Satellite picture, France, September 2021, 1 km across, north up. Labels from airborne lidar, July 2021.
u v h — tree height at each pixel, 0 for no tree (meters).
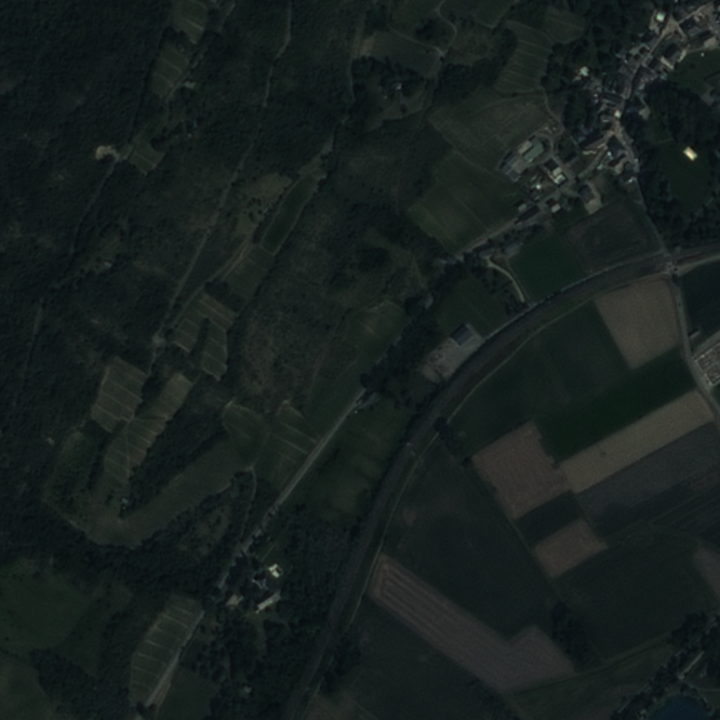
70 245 13
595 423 0
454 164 0
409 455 0
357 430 0
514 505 0
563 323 0
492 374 0
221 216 5
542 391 0
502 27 7
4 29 9
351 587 0
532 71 0
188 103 11
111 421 0
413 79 10
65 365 7
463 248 0
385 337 0
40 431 11
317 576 8
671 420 0
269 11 15
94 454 7
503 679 0
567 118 12
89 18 17
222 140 10
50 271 13
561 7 14
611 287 0
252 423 0
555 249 0
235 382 8
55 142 13
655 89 12
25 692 0
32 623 0
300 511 14
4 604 0
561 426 0
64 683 11
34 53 13
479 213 0
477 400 0
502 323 0
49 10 10
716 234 6
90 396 9
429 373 0
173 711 0
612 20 26
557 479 0
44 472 9
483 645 0
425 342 19
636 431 0
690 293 0
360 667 15
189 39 13
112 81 9
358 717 0
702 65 0
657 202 21
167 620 0
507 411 0
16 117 11
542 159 0
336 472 0
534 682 0
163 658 0
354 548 6
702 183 0
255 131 12
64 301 15
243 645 24
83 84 8
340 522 0
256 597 15
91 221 12
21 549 11
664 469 0
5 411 10
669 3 19
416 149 8
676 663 12
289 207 0
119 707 13
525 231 6
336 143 7
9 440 8
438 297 16
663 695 14
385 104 0
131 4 18
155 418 0
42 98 9
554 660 0
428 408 5
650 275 0
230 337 9
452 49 5
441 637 0
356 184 7
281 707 15
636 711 9
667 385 0
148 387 12
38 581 11
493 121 0
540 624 0
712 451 0
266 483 8
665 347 0
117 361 0
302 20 11
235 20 7
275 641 19
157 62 11
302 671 8
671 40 0
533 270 0
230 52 13
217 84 11
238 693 8
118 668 9
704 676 0
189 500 0
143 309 10
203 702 0
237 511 8
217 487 0
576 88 7
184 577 22
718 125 7
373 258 10
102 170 12
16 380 15
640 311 0
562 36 0
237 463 0
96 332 9
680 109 29
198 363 6
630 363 0
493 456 0
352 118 15
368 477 0
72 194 7
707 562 0
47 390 12
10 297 13
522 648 0
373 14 13
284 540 0
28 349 10
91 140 6
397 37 0
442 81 9
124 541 0
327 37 6
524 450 0
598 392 0
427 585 0
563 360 0
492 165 0
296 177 14
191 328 0
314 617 14
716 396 0
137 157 0
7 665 0
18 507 17
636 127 23
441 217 0
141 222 5
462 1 0
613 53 7
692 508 0
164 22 11
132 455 0
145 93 15
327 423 0
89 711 13
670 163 0
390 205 6
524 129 0
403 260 0
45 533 17
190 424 6
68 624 0
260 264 0
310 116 9
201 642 0
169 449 6
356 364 0
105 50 12
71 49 17
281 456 0
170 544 11
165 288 7
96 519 0
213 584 13
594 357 0
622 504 0
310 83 15
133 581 10
